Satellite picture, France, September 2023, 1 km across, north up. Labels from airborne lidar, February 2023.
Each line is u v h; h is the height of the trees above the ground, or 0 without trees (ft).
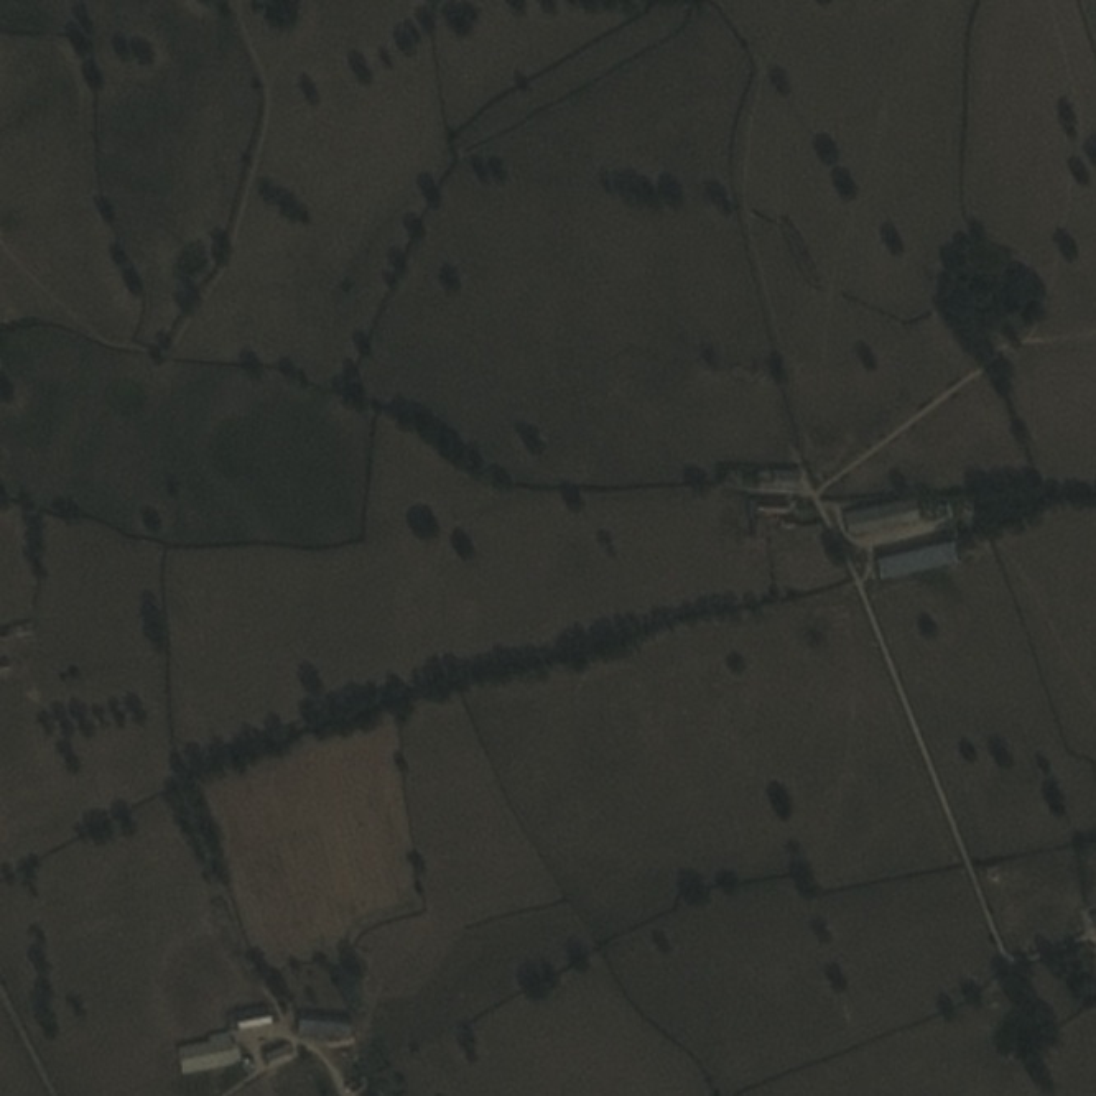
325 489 0
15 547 0
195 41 0
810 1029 0
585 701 0
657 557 0
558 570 0
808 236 0
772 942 0
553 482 0
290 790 0
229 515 0
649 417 0
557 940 0
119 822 60
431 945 0
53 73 0
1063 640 0
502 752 0
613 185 57
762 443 0
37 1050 0
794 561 0
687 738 0
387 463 0
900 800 0
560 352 0
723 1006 0
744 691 0
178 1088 0
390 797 0
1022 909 0
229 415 0
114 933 0
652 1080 0
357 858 0
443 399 0
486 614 0
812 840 0
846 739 0
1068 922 0
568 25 0
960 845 0
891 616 0
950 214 0
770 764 0
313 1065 0
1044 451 0
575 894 0
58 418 0
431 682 61
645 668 0
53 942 0
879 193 0
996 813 0
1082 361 0
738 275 0
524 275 0
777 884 0
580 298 0
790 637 0
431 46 0
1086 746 0
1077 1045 0
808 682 0
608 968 0
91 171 0
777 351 0
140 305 0
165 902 0
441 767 0
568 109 0
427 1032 0
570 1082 0
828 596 0
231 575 0
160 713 0
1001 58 0
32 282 0
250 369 53
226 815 0
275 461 0
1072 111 41
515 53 0
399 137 0
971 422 0
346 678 0
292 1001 35
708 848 0
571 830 0
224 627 0
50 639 0
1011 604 0
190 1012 0
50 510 0
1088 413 0
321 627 0
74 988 0
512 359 0
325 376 0
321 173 0
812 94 0
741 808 0
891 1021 0
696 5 41
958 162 0
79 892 0
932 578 0
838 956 0
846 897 0
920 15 0
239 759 57
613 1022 0
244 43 0
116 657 0
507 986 0
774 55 0
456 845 0
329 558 0
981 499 66
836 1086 0
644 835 0
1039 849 0
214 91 0
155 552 0
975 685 0
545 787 0
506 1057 0
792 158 0
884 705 0
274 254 0
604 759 0
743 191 0
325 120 0
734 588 0
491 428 0
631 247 0
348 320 0
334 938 0
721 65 0
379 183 0
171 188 0
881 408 0
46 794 0
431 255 0
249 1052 0
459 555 38
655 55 0
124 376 0
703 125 0
